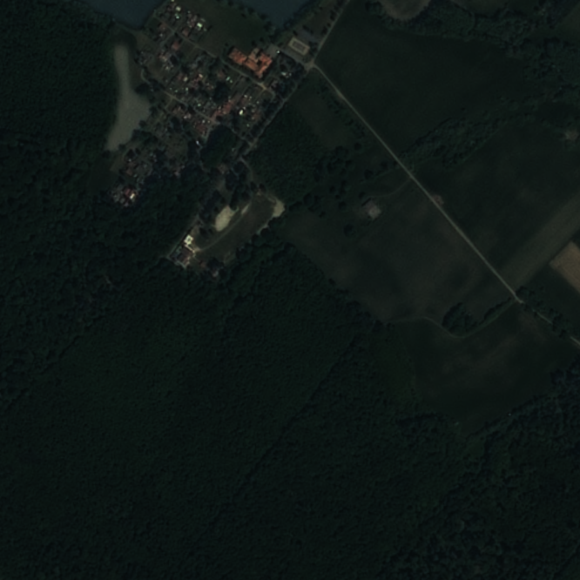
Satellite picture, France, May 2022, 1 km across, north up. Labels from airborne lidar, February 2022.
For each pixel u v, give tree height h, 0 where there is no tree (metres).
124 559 23
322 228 0
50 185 29
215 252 0
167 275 20
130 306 16
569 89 19
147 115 0
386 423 28
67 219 28
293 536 26
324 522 23
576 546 7
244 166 14
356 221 0
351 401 23
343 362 24
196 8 0
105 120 20
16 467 19
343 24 0
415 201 0
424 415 8
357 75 0
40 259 27
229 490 17
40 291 30
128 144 0
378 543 28
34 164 29
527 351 0
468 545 29
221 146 21
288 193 8
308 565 23
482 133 6
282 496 28
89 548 25
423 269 0
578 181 0
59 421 15
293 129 7
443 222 0
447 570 27
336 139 0
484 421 0
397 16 0
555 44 20
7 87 17
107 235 28
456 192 0
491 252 0
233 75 0
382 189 0
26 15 23
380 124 0
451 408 0
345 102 0
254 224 0
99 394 14
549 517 6
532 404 12
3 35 21
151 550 19
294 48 0
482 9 0
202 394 20
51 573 23
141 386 17
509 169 0
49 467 18
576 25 0
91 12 14
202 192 19
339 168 13
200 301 21
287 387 13
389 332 8
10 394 25
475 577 29
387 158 0
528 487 10
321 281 17
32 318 25
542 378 0
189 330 18
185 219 19
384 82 0
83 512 18
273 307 13
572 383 19
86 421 16
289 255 14
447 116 0
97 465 13
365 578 26
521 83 0
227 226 0
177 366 17
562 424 24
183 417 17
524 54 6
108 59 17
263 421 17
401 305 0
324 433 24
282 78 9
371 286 0
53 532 20
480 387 0
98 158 0
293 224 0
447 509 15
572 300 0
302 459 25
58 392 14
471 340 0
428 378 0
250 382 18
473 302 0
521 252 0
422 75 0
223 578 24
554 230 0
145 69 9
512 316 0
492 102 0
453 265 0
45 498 16
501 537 5
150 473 18
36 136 27
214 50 0
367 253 0
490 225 0
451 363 0
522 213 0
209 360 16
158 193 25
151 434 16
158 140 12
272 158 6
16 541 23
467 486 19
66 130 18
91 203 17
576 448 6
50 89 17
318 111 0
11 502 19
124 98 0
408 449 28
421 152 6
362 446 30
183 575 22
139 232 29
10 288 27
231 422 17
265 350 15
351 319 18
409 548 26
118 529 24
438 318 0
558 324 16
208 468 16
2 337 22
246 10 10
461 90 0
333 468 27
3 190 28
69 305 26
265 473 25
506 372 0
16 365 25
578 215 0
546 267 0
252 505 27
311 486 27
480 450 0
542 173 0
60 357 19
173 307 20
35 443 19
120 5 0
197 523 20
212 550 25
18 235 26
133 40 0
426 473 29
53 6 17
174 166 19
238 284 16
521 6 0
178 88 0
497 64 0
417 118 0
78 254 25
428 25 25
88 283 28
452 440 23
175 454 18
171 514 19
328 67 0
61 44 20
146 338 15
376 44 0
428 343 0
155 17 0
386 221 0
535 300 6
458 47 0
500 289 0
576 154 0
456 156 10
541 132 0
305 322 15
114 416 15
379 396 21
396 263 0
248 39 0
